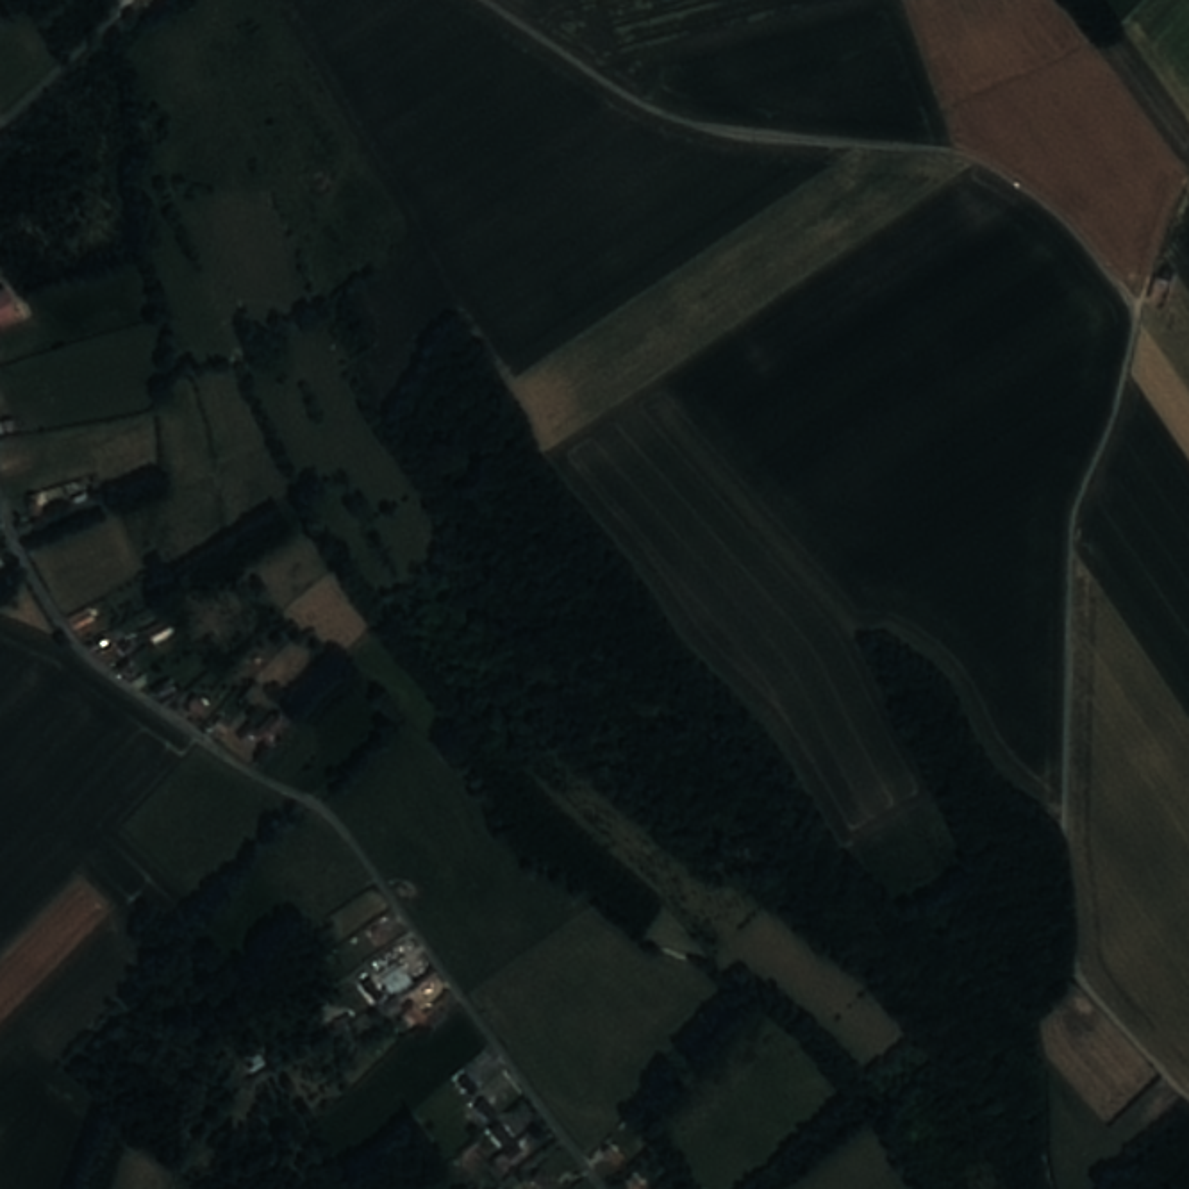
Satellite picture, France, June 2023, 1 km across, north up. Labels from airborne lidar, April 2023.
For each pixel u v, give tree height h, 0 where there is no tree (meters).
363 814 0
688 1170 13
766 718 0
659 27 0
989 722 0
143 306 0
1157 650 0
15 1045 0
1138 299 0
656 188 0
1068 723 0
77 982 0
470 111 0
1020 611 0
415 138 0
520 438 21
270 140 0
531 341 0
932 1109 13
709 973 7
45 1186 0
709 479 0
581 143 0
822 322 0
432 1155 31
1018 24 0
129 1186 0
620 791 18
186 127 0
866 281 0
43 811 0
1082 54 0
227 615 0
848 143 0
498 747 27
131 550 0
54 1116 0
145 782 0
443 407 22
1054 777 0
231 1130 17
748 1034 0
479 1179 0
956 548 0
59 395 0
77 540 0
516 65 0
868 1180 0
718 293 0
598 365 0
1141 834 0
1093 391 0
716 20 0
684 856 18
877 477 0
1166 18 0
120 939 0
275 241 0
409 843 0
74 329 0
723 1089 0
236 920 0
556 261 0
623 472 0
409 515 0
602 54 0
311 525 19
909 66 0
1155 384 0
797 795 19
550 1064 0
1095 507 0
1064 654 0
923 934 19
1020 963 21
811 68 0
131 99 6
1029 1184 18
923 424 0
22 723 0
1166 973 0
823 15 0
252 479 0
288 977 22
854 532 0
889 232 0
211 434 0
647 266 0
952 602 0
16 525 6
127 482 12
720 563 0
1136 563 0
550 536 22
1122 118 0
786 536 0
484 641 16
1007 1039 18
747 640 0
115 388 0
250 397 8
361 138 0
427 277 0
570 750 20
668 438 0
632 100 0
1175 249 0
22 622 0
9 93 0
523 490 21
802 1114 0
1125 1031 0
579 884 10
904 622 0
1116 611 0
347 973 0
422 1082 0
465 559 17
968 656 0
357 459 0
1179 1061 0
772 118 0
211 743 0
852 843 0
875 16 0
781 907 16
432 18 0
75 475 0
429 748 0
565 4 0
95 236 0
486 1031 0
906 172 0
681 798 23
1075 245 0
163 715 0
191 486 0
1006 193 0
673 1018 0
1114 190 0
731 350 0
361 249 0
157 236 18
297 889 0
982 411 0
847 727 0
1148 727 0
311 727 7
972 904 21
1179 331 0
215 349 0
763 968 0
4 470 0
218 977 35
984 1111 13
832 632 0
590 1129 0
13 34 0
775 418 0
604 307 0
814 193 0
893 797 0
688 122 0
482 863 0
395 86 0
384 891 0
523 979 0
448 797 0
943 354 0
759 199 0
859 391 0
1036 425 0
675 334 0
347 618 0
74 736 0
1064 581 0
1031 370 0
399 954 0
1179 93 0
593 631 20
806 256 0
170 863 0
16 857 0
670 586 0
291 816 23
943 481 0
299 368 0
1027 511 0
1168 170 0
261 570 0
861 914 17
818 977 0
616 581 22
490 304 0
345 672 33
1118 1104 0
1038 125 0
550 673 19
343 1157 0
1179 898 0
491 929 0
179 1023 28
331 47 0
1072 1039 0
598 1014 0
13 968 0
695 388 0
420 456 22
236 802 0
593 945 0
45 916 0
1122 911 0
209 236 0
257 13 0
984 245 0
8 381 0
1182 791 0
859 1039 0
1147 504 0
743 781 21
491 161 0
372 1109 0
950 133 0
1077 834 0
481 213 0
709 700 17
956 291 0
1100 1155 0
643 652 17
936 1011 18
